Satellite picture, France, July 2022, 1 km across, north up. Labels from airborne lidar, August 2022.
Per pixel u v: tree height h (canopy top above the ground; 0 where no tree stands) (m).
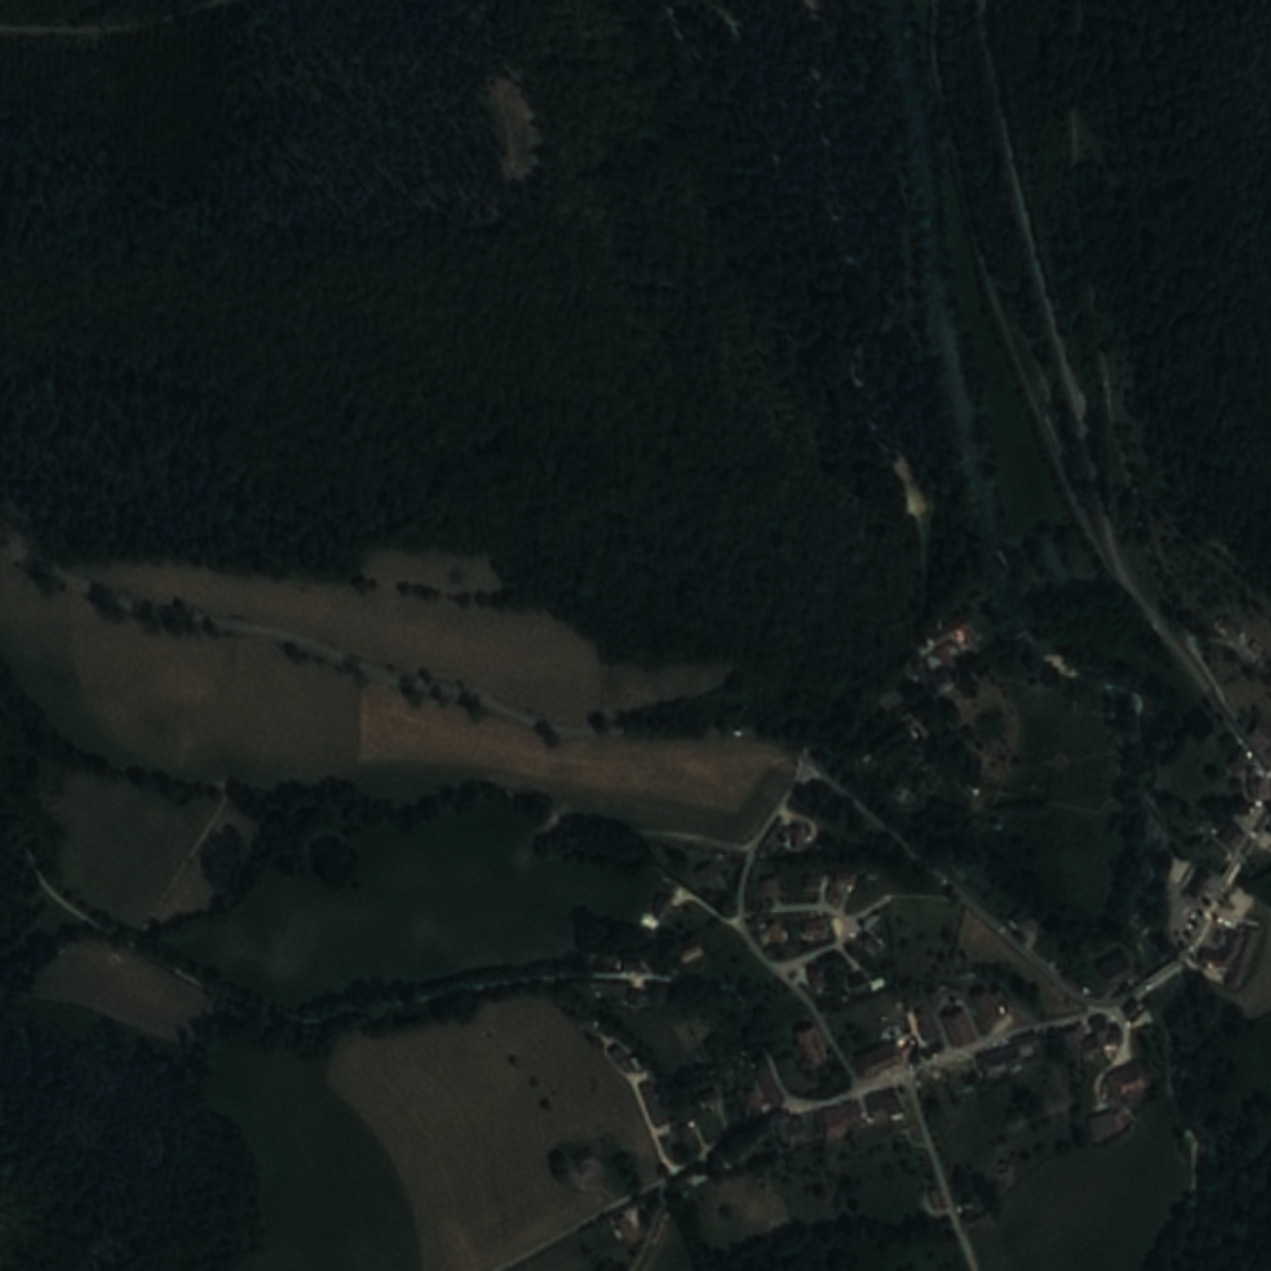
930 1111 10
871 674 24
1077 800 0
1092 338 13
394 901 0
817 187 34
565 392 20
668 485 17
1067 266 21
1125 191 10
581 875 0
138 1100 25
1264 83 16
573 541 19
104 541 18
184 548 18
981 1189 21
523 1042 0
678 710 9
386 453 19
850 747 15
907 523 32
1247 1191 20
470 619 0
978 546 23
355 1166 0
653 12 38
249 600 0
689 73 32
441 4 26
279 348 19
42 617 0
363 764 0
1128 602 26
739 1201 0
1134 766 21
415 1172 0
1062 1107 0
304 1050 11
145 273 20
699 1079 6
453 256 17
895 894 0
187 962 8
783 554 17
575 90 18
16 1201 14
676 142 32
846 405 29
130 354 30
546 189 17
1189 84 26
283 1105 0
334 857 25
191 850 0
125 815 0
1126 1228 0
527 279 18
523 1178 0
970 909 0
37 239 20
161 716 0
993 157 16
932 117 16
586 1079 0
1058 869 0
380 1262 0
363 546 19
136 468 25
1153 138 27
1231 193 19
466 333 18
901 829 8
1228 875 0
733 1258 9
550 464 25
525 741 0
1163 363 24
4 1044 29
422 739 0
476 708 21
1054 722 0
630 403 21
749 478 17
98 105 6
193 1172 26
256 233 16
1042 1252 0
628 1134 0
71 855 0
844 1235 15
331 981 0
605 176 30
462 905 0
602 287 14
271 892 0
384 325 18
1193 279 26
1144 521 13
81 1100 24
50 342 24
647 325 23
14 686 19
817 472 33
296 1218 0
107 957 0
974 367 18
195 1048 7
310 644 0
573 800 0
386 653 0
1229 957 0
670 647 20
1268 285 20
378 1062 0
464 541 20
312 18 27
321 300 17
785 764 0
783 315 32
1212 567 8
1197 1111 12
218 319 14
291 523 29
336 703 0
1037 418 8
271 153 27
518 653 0
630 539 20
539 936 0
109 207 7
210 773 0
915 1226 20
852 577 17
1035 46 11
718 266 29
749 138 27
